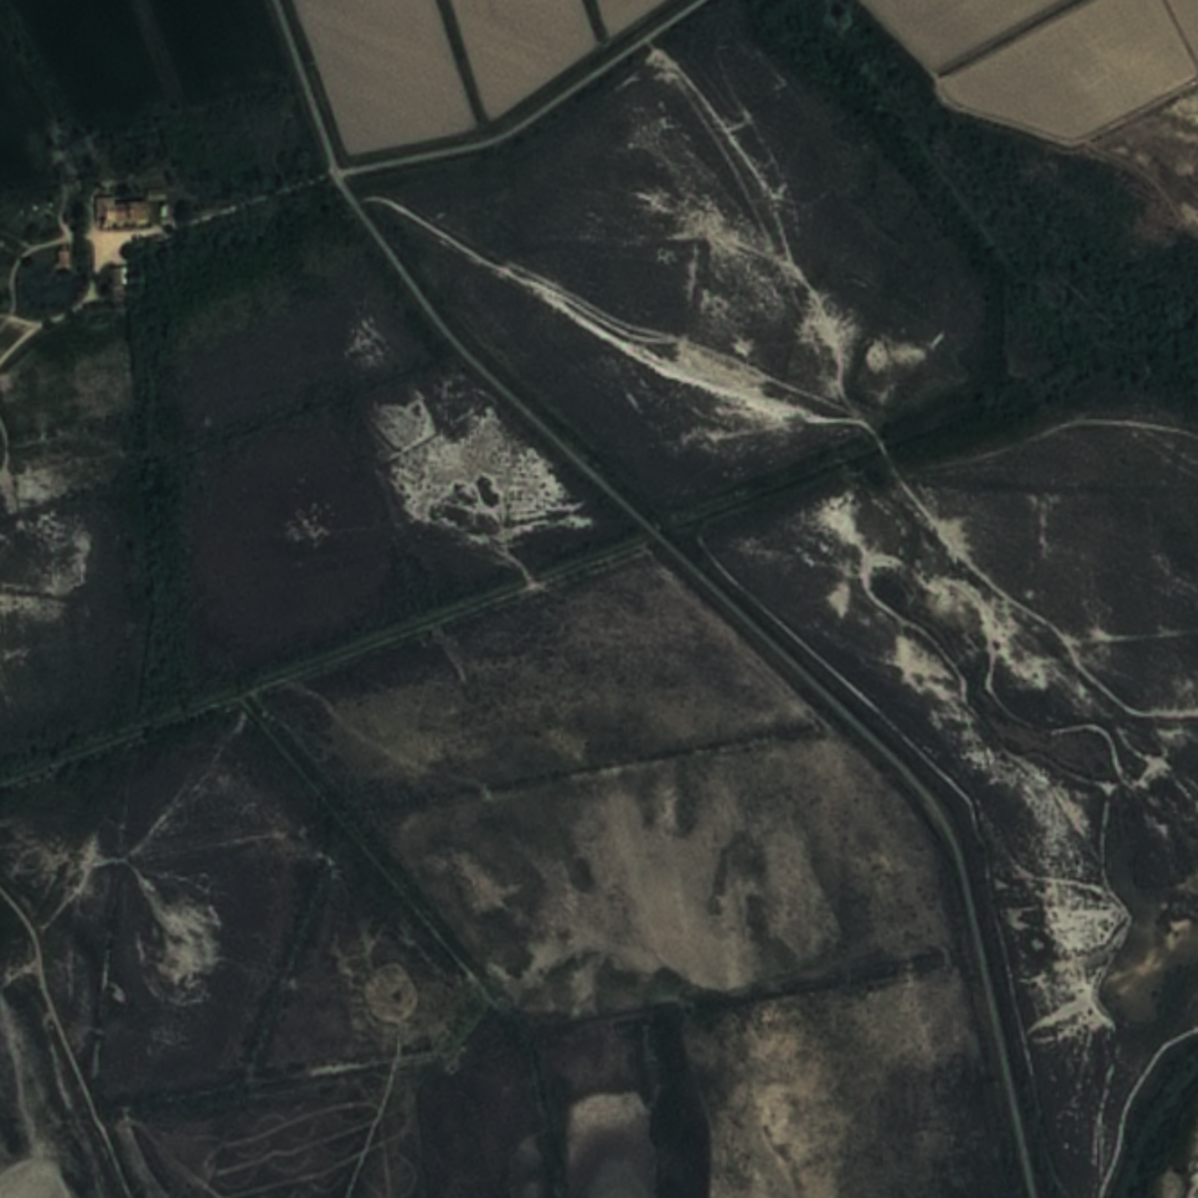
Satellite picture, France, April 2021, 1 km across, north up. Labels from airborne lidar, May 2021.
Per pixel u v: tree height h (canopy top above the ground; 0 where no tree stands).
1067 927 0
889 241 0
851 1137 0
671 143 0
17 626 0
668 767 0
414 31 0
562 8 0
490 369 0
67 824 0
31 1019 0
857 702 0
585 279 0
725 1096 0
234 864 0
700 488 0
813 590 0
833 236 0
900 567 0
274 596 0
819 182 0
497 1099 0
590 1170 0
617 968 0
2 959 0
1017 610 0
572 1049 0
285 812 0
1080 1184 0
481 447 0
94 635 0
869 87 12
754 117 0
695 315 0
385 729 0
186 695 5
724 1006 0
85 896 0
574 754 0
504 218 0
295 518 0
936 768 0
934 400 0
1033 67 0
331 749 0
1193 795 0
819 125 0
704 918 0
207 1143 0
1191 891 0
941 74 0
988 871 0
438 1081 0
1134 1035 0
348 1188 0
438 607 8
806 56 12
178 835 0
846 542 0
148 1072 0
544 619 0
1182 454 0
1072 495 0
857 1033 0
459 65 0
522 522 0
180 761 0
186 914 0
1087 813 0
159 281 12
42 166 0
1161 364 8
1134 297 10
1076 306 11
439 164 0
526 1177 0
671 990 0
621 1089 0
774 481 0
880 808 0
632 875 0
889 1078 0
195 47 0
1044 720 0
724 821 0
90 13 0
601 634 0
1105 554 0
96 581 0
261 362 0
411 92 0
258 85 0
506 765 0
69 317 7
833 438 0
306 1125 0
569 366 0
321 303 0
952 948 0
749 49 0
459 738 0
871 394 0
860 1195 0
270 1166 0
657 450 0
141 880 0
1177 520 0
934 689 0
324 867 5
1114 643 0
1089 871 0
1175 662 0
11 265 0
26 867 0
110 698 0
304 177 13
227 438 6
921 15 0
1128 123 0
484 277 0
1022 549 0
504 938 0
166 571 9
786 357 0
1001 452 0
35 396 0
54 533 0
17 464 0
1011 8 0
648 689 0
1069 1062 0
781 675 0
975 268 6
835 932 0
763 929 0
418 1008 0
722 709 0
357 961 0
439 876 0
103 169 10
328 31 0
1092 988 0
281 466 0
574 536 0
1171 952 0
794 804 0
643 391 0
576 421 0
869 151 0
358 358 0
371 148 0
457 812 0
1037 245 11
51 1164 0
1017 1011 0
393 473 0
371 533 0
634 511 0
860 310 0
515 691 0
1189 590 0
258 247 9
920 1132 0
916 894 0
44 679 0
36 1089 0
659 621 0
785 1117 0
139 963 0
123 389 0
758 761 0
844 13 15
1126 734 0
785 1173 0
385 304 0
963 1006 0
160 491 9
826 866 0
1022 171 9
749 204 0
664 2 0
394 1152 0
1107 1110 0
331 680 0
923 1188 0
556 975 0
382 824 0
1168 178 0
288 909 0
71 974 0
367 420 0
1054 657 0
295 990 0
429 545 0
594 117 0
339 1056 0
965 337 0
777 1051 0
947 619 0
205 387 0
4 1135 0
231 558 0
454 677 0
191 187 5
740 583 0
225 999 0
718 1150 0
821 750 0
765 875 0
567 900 0
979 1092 0
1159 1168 6
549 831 0
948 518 0
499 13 0
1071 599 0
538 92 0
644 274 0
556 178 0
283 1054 0
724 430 0
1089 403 0
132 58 0
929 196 6
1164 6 0
